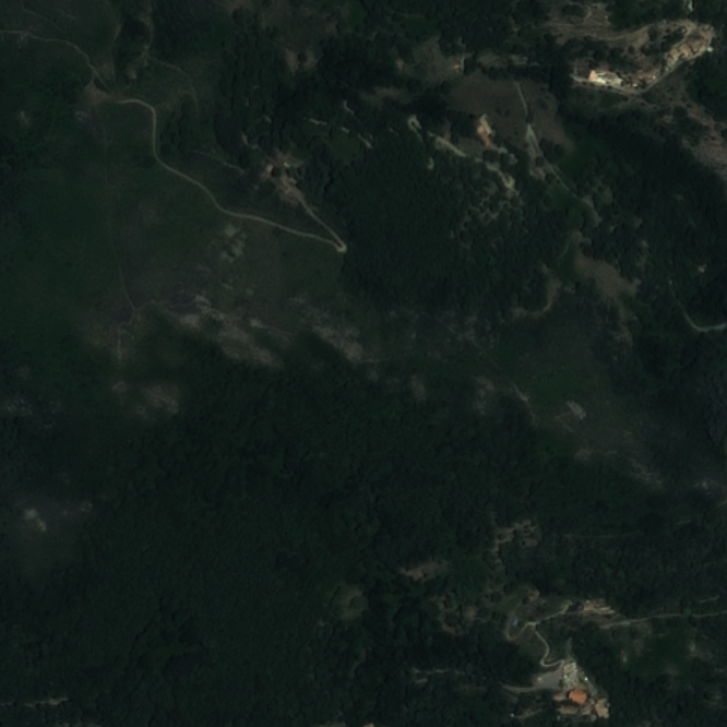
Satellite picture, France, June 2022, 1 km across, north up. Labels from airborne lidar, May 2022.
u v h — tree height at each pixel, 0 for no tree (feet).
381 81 62
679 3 25
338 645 45
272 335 0
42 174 0
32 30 0
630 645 0
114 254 0
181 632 32
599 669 60
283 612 61
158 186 0
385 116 55
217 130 43
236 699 59
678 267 45
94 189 0
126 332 0
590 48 35
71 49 0
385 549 68
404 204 62
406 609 54
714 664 19
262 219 0
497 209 33
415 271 44
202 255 0
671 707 38
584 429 0
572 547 30
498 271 28
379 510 66
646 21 34
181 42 21
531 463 29
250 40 40
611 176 44
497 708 39
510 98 0
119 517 62
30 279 0
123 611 68
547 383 0
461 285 44
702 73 30
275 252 0
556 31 0
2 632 55
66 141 0
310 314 0
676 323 33
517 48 45
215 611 70
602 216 29
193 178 0
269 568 53
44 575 0
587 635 22
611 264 30
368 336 0
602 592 34
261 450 34
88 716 42
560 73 70
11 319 0
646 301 33
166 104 0
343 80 96
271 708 54
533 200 32
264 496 51
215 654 63
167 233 0
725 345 28
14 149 24
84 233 0
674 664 0
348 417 69
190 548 64
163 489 50
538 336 24
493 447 46
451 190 47
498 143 35
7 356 20
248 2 0
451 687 47
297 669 49
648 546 27
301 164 0
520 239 33
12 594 39
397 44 50
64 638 36
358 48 20
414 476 71
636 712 46
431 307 20
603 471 21
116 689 36
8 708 59
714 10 31
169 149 40
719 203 59
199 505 51
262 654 67
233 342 0
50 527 0
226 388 31
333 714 51
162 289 0
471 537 47
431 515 62
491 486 58
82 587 37
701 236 75
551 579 23
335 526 77
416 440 62
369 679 77
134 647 42
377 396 53
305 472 55
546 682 0
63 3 0
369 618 33
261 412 39
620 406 0
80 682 69
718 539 47
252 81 47
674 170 21
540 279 34
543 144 39
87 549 40
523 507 39
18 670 64
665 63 19
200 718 54
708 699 54
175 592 77
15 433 26
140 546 69
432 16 51
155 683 47
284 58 22
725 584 38
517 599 0
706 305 33
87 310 0
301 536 63
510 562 51
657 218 39
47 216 0
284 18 0
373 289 31
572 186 0
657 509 22
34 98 0
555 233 45
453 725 74
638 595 40
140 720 66
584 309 25
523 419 26
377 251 45
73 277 0
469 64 43
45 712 44
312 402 50
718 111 19
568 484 34
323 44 32
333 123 44
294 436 72
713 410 34
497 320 26
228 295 0
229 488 49
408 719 51
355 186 69
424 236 48
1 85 25
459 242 37
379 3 57
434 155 21
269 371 32
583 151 0
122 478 18
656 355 36
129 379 0
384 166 61
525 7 41
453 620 45
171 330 0
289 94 29
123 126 0
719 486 0
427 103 19
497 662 39
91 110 0
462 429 35
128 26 44
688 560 42
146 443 40
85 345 0
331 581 62
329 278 0
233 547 51
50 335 0
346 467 79
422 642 42
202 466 38
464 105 0
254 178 38
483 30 46
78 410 0
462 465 50
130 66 0
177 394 0
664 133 53
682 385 28
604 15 0
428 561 22
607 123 55
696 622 26
